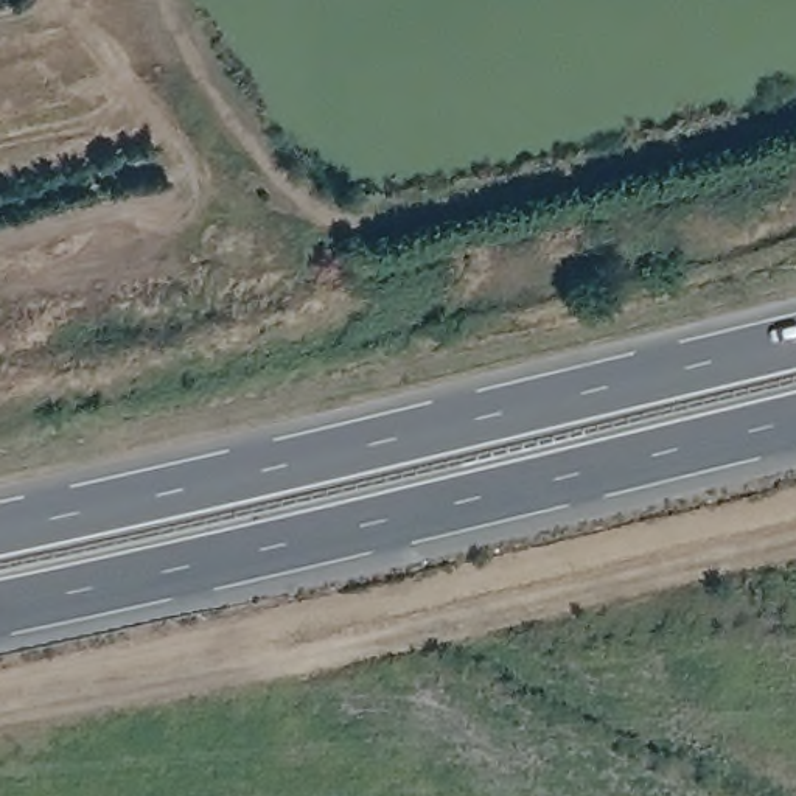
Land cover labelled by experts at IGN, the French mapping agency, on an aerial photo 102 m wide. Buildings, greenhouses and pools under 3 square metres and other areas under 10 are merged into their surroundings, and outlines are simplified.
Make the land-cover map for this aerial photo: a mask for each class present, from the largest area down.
<instances>
[{"label":"herbaceous vegetation","instance_id":"1","mask_svg":"<svg viewBox=\"0 0 796 796\"><path fill-rule=\"evenodd\" d=\"M31 0H0V37H16L28 31V22L34 19V12L28 9ZM90 22L127 50L134 75L146 81L155 96L165 100L171 121L187 134L196 159L208 162L215 196L199 211L196 224L183 227L180 233L146 230L137 243L112 252L87 243L81 252L65 255L62 261L47 264L40 271L0 274V488L31 485L40 479H56L65 473L106 466L118 460H137L174 448L243 438L283 426L280 420L292 414H305L311 420V414L317 410L348 404L354 398L392 395L407 386L451 379L473 370H494L504 364L585 348L591 342L637 336L647 330L675 326L700 317H715L724 311L774 299L796 305V246L784 243L768 252L740 258L734 264L709 267L690 271L678 286V295H650L647 289H637L616 314L585 323L569 314L563 299L578 283L594 280L600 267L613 264L619 252L613 246H600L594 252L575 255V239L581 227L547 230L535 246L516 252H504L494 246H457L451 252V267L463 280L457 286H448L451 299L460 305L473 302L476 295L510 299V314L470 317L463 323V336L451 345H438L426 336L414 339L410 348L401 354H386L382 348H376L351 361H314L308 367H295L286 373L280 370L271 376H255L246 386L230 389L227 395L190 392L171 404H152L143 410H100L50 426L37 420L34 407L72 392H100L118 379L143 376L149 370H174L187 358L224 364L227 351H252L267 348L280 339H302L305 333L317 330H339L351 311L364 308V299L348 295L339 271L330 267L339 255L348 252V243H361L358 227L339 224L320 227L302 215L271 208V193L261 168L252 162L246 149L236 146V140L218 121L208 96L196 87L177 50V40L162 22L155 0H90ZM796 227V202H768L765 218L746 221L743 227L731 224L728 218L687 215L678 224L681 252L703 255L749 246L762 236ZM286 603H299L295 591L261 603H239L230 609L211 606L202 616H165L152 619L143 628H109L81 637L47 641L22 647L19 656L0 653V672L78 650L112 647L118 641H152L190 625L205 628L215 619H252ZM485 653L479 672H454L442 665L435 653H429L420 659L389 662L379 669L358 672L354 678H339L326 684H311L305 675L255 681L246 687H221L218 693L183 697L168 706L84 715L72 724L40 718L0 728V796H715L706 787V780H693V768L684 762H669L665 771H650V752L628 759L625 752H616L613 743L606 737H597L591 728L578 731L575 724H547L522 697L504 693V684L498 681L504 672L522 678V684L547 687L569 706H581L591 715H603L609 718V724L634 731L647 743L669 740L672 746H697L700 756H712V768H721L728 774H734L743 765L752 777H768L777 790L774 796H796V644L790 637H768L762 644H743L734 637V631L724 637L715 631H693L684 637H672L665 631L662 637L634 634V647L603 644L585 653V659H557L532 653L519 637H507L504 628L479 637L476 644Z\"/></svg>","mask_w":796,"mask_h":796},{"label":"impervious surface","instance_id":"2","mask_svg":"<svg viewBox=\"0 0 796 796\"><path fill-rule=\"evenodd\" d=\"M283 426L243 438L174 448L137 460H118L106 466L65 473L56 479H40L31 485L0 488V653L19 656L22 647L47 641L81 637L109 628H143L152 619L165 616H202L211 606L230 609L239 603H261L295 591L330 581L345 585L354 578L386 575L395 569L466 553L470 547L498 544L510 538H532L538 532L560 525L631 516L653 507H665L672 501H693L703 488H762L765 482L790 476L796 470V305L774 299L724 311L715 317H700L675 326L647 330L637 336L591 342L585 348L504 364L494 370H473L451 379L407 386L392 395L354 398L348 404L317 410L311 414V420L305 414H292L280 420Z\"/></svg>","mask_w":796,"mask_h":796},{"label":"pervious surface","instance_id":"3","mask_svg":"<svg viewBox=\"0 0 796 796\"><path fill-rule=\"evenodd\" d=\"M68 0H31L28 9L34 12V19H62ZM162 22L177 40V50L196 87L208 96L218 121L236 140V146L246 149L252 162L261 168L271 193V208L302 215L320 227L339 224V205L314 196L308 183H292L286 171L277 168L267 149V137L252 134L239 121V112L227 103L221 90L227 78L221 65L215 62L208 47L202 50L187 34V22L177 16L174 0H155ZM777 140L796 146V100L777 112L746 115L734 124L709 127L693 137L659 140L622 155L597 159L572 168L569 174H529L519 180L482 187L476 193L451 196L448 202L389 208L382 215L361 221L358 227L361 243L370 252H376L382 243L414 246V239L420 236L438 243L448 233H466L473 227H482V221L541 215L553 205L585 202L597 193L613 196L622 180L656 183L665 177H697L703 171L743 165L746 159H762L768 155V149H774ZM790 560H796V491L790 488L765 501H740L718 510H700L578 541L532 547L522 553L488 560L485 566L466 563L451 572H435L423 581H401L370 588L361 594H330L299 603H286L252 619H215L205 628L190 625L152 641H118L112 647L78 650L0 672V728L40 718L72 724L84 715L168 706L183 697L218 693L221 687H246L255 681L305 675L367 656L401 653L410 647H423L426 641L476 644L479 637L504 628L532 619L566 616L575 603L603 606L616 597H641L662 588L690 585L700 581L706 572L787 566Z\"/></svg>","mask_w":796,"mask_h":796},{"label":"water","instance_id":"4","mask_svg":"<svg viewBox=\"0 0 796 796\"><path fill-rule=\"evenodd\" d=\"M202 16L211 19L224 31V37H230V59L243 62V68L258 81L261 103H267L271 109V124H280L283 134H292L299 146L314 149V159L348 171V177L407 180L414 174L438 171L442 180H454L451 174L473 162H510L516 152H541L553 143L588 140L600 131H616V137H622L631 124H641L644 118L659 121L672 112L709 106L718 100L743 106L752 100L759 78L796 72V0H199Z\"/></svg>","mask_w":796,"mask_h":796},{"label":"brushwood","instance_id":"5","mask_svg":"<svg viewBox=\"0 0 796 796\"><path fill-rule=\"evenodd\" d=\"M177 16L187 22V34L202 50L208 47L215 62L221 65L227 78L221 90L227 103L239 112V121L252 134L267 137V149L277 168L286 171L292 183H308L314 196L339 205V224L358 227L361 221L382 215L389 208L448 202L451 196L476 193L482 187L519 180L529 174H569L572 168L597 159L622 155L659 140L693 137L709 127L734 124L746 115L743 106L718 100L709 106L672 112L659 121L644 118L641 124H631L622 137H616V131H600L588 140L553 143L541 152H516L510 162H473L451 174L454 180H442L438 171L414 174L407 180L348 177V171L314 159V149L299 146L292 134H283L280 124H271V109L267 103H261L258 81L243 68V62L230 59V37H224V31L211 19L202 16L199 0H174ZM784 243L796 246V227L762 236L749 246L703 255L709 267L734 264L740 258L768 252ZM463 280L451 267L395 280L376 289L373 299H364V308L351 311L339 330H317L305 333L302 339H280L267 348L252 351H227L224 364L187 358L174 370H149L143 376L118 379L100 392V410H143L152 404H171L190 392L227 395L230 389L246 386L255 376H271L280 370L286 373L295 367H308L314 361H351L376 348H382L386 354H401L410 348L414 339L407 326L420 323L423 314H429L435 305H460L451 299L448 286H457ZM790 488L796 491V470L790 476L765 482L762 488H703L693 501H672L665 507H653L631 516L560 525L538 532L532 538H510L498 544L470 547L466 553L395 569L386 575L354 578L345 585L330 581L295 591L299 603L330 594H361L370 588L401 581H423L435 572H451L466 563L485 566L488 560L522 553L532 547L578 541L700 510H718L740 501H765ZM507 637H519L532 653L557 659H585V653L603 644L634 647V634L662 637L665 631L672 637H684L693 631H715L724 637L734 631V637L743 644H762L768 637H790L796 644V560H790L787 566L706 572L700 581L690 585L662 588L641 597H616L603 606L575 603L566 616L532 619L504 628ZM429 653H435L442 665L454 672H479L485 653L476 644L426 641L423 647H410L401 653L367 656L305 675L311 684H326L339 678H354L358 672L379 669L389 662L420 659ZM498 681L504 684V693L522 697L547 724H575L578 731L591 728L597 737H606L613 743L616 752H625L628 759L650 752V771H665L669 762H684L693 768V780H706V787L715 796H774L777 790L768 777H752L743 765L734 774H728L721 768H712V756H700L697 746H672L669 740L647 743L634 731L609 724V718L603 715H591L581 706H569L547 687L522 684V678L504 672Z\"/></svg>","mask_w":796,"mask_h":796},{"label":"deciduous trees","instance_id":"6","mask_svg":"<svg viewBox=\"0 0 796 796\"><path fill-rule=\"evenodd\" d=\"M796 100V72L759 78L752 100L743 106L746 115L777 112ZM796 202V146L777 140L774 149H768V155L762 159H746L743 165L703 171L697 177H665L656 183L622 180L613 196L597 193L585 202L553 205L541 215L482 221V227H473L466 233H448L438 243L420 236L414 239V246L382 243L376 252H370L361 243H348V252L339 255L330 267L339 271L348 295L364 299H373L376 289L395 280L451 267V252L457 246H494L504 252H516L535 246L547 230L581 227L575 239V255L594 252L600 246H613L619 252L613 264L600 267L594 280L578 283L563 299L569 314L585 323L616 314L637 289H647L650 295H678V286L690 271L709 267L703 255L681 252L678 224L687 215L728 218L731 224L743 227L746 221L765 218L768 202ZM162 146L149 143L140 152L115 155L93 168L56 174L0 193V227H19L65 211L72 205H96L106 199L162 193L168 190V177L159 168ZM510 314V299L476 295L473 302L460 305H435L429 314H423L420 323L407 326L414 339L426 336L438 345H451L463 336V323L470 317ZM37 420L50 426L100 410V392H72L34 407Z\"/></svg>","mask_w":796,"mask_h":796},{"label":"agricultural land","instance_id":"7","mask_svg":"<svg viewBox=\"0 0 796 796\"><path fill-rule=\"evenodd\" d=\"M90 0H68L62 19H34L28 22V31L16 37H0V193L56 174L93 168L115 155L140 152L149 143L162 146L159 168L168 177V190L162 193L106 199L96 205H72L65 211L19 227H0V274L40 271L47 264L62 261L65 255L81 252L87 243L112 252L137 243L146 230L180 233L183 227L196 224L199 211L215 196L208 162L196 159L187 134L171 121L165 100L155 96L146 81L134 75L127 50L90 22Z\"/></svg>","mask_w":796,"mask_h":796}]
</instances>
